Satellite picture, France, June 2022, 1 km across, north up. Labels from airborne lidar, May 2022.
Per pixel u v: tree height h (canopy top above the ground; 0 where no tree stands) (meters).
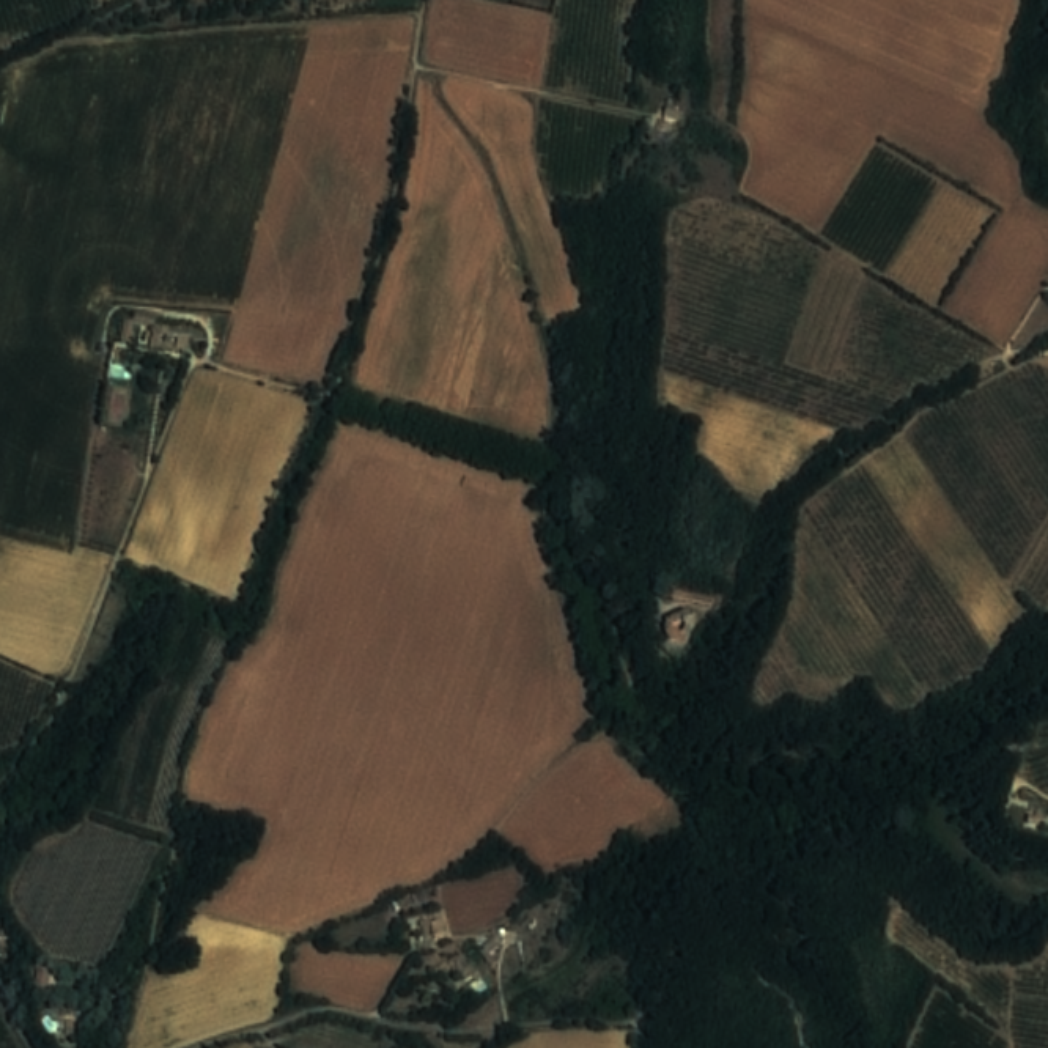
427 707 0
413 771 0
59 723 13
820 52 0
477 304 0
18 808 17
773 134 0
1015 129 6
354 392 19
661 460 18
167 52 0
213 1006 0
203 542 0
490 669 0
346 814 0
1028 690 25
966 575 0
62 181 0
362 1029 10
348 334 12
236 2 9
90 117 0
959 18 0
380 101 0
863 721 16
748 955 13
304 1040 0
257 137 0
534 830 0
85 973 21
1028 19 12
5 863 15
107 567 0
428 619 0
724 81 0
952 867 20
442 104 0
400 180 16
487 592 0
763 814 24
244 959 0
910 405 14
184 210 0
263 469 0
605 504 17
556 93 0
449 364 0
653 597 20
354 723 0
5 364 0
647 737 11
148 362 12
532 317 13
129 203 0
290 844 0
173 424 0
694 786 23
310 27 0
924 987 10
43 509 0
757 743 20
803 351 0
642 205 7
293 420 0
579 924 14
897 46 0
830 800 25
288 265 0
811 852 22
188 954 15
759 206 14
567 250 9
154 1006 0
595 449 18
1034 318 0
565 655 0
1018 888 0
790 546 18
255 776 0
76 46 0
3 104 0
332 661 0
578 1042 0
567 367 19
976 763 22
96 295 0
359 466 0
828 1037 6
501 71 0
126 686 6
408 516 0
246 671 0
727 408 0
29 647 0
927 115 0
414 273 0
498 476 25
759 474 0
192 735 13
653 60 12
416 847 0
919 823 21
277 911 0
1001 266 0
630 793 0
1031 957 15
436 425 28
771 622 10
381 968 0
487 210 0
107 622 0
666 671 9
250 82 0
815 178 0
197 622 7
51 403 0
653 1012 20
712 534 6
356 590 0
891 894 9
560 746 0
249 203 0
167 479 0
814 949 20
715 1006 6
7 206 0
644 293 8
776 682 0
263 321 0
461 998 8
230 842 18
